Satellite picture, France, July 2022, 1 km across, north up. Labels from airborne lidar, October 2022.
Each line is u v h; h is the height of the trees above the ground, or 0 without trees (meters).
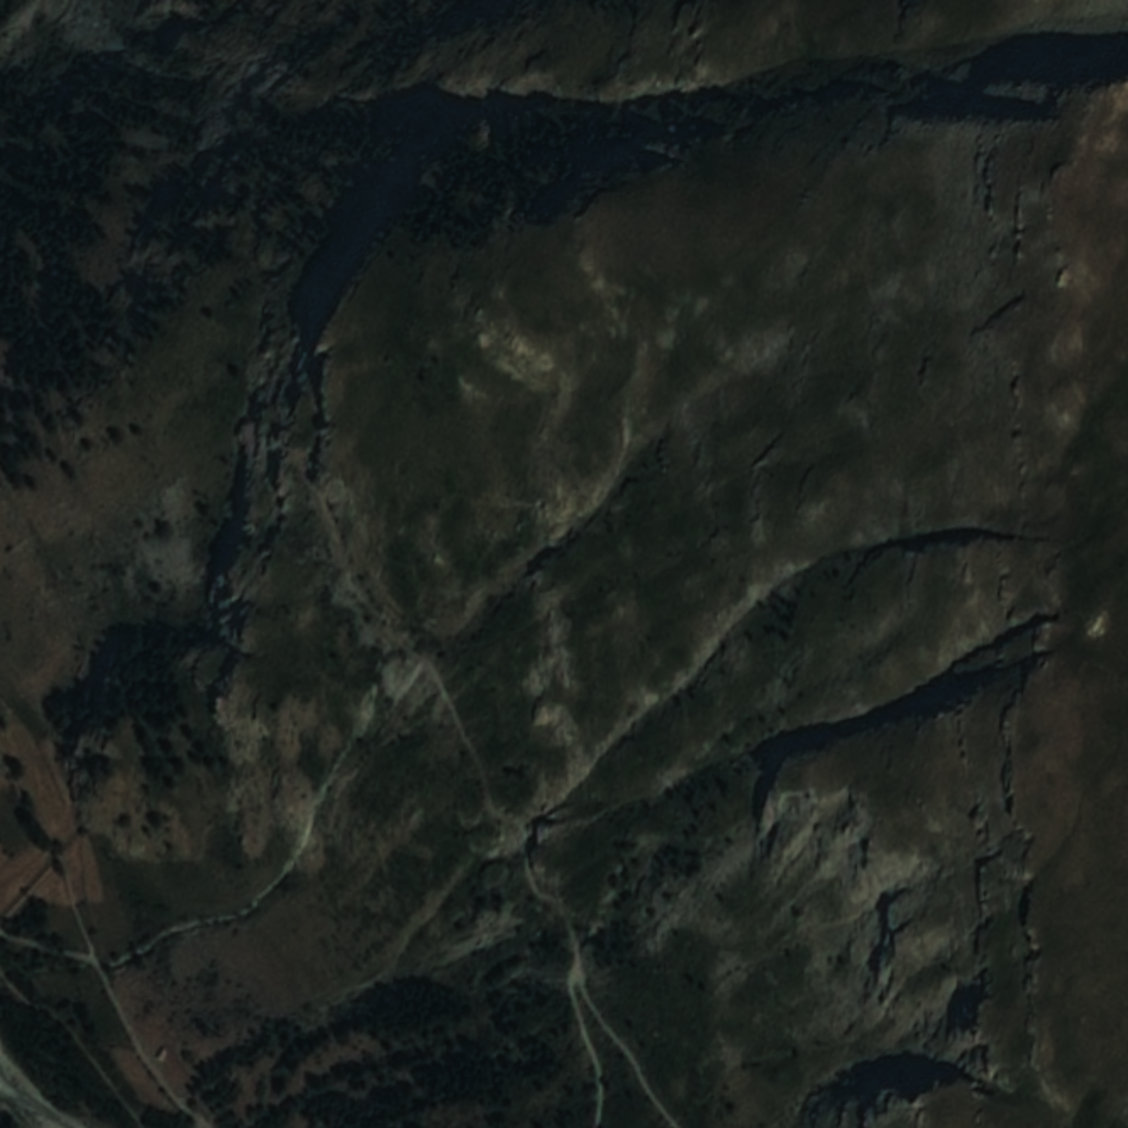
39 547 0
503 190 6
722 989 0
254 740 0
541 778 0
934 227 0
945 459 0
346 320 0
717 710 0
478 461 0
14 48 0
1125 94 0
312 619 0
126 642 22
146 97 6
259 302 0
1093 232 0
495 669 0
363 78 0
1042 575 0
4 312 27
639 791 0
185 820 0
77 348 13
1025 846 0
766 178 0
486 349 0
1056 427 0
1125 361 0
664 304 0
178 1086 0
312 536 0
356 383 0
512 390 0
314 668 0
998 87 0
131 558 0
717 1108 0
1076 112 0
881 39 0
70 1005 11
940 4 0
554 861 0
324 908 0
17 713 0
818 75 0
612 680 0
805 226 0
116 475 0
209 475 0
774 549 0
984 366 0
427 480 0
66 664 0
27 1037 6
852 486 0
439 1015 18
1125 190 0
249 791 0
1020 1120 0
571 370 0
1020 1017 0
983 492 0
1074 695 0
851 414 0
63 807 0
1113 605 0
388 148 6
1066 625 0
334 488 0
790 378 0
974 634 0
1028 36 0
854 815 0
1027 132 0
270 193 8
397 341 0
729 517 0
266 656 0
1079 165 0
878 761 0
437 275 0
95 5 0
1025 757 0
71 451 0
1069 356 0
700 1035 0
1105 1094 0
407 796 0
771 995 0
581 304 0
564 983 0
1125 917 0
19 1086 0
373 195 0
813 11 0
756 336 0
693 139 13
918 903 0
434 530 0
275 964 0
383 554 0
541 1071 11
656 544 0
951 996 0
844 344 0
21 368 26
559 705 0
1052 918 0
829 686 0
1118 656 0
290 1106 11
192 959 0
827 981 0
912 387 0
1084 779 0
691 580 0
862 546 0
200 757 11
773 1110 0
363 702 0
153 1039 0
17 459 20
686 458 0
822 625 0
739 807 0
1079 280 0
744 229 0
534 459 0
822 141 0
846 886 0
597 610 0
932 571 0
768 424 0
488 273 0
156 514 0
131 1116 6
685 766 0
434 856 0
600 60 0
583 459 0
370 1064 8
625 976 0
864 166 0
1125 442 0
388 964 0
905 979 0
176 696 19
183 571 0
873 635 0
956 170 0
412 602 0
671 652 0
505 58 0
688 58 0
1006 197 0
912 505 0
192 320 0
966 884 0
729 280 0
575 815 0
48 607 0
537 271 0
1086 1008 0
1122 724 0
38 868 0
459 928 10
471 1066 12
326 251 0
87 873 0
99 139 12
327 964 0
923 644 0
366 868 0
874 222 0
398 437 0
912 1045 0
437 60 0
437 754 0
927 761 0
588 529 0
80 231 21
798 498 0
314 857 0
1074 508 0
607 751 0
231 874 0
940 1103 0
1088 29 0
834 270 0
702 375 0
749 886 0
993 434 0
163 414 0
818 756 0
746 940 0
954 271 0
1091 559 0
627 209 0
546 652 0
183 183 8
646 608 0
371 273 0
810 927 0
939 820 0
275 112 13
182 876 0
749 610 0
